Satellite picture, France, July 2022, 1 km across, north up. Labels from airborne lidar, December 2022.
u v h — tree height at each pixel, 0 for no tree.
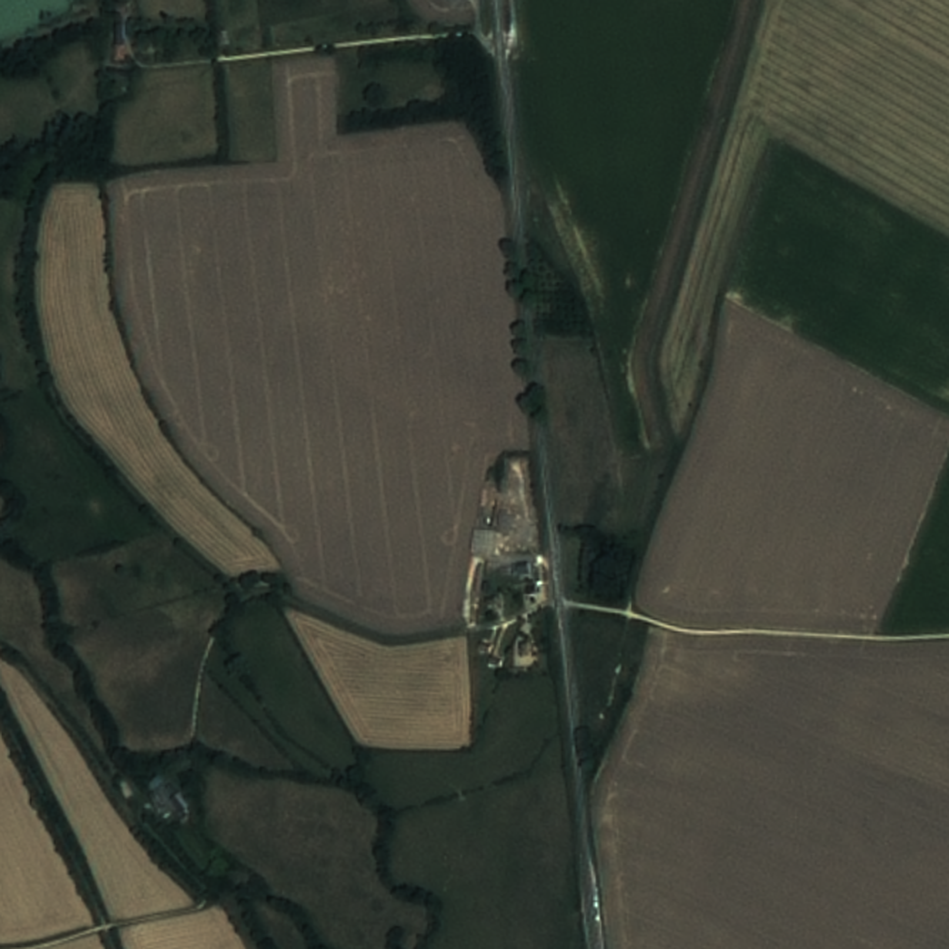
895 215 0
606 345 0
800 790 0
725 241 0
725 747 0
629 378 0
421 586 0
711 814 0
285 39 0
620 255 0
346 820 0
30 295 10
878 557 0
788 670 0
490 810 0
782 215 0
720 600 0
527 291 11
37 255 10
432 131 0
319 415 0
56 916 0
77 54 0
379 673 0
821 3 0
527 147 0
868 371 0
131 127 0
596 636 0
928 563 0
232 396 0
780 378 0
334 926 0
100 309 0
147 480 0
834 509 0
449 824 0
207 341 0
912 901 0
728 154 0
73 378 0
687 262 0
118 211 0
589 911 0
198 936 0
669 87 0
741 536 0
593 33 0
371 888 0
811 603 0
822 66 0
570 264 0
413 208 0
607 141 0
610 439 0
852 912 0
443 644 0
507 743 0
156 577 0
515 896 0
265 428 0
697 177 0
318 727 0
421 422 0
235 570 0
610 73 0
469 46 12
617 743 0
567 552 0
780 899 0
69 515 0
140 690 0
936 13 0
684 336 0
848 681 0
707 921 0
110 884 0
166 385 0
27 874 0
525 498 0
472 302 0
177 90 0
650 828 0
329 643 0
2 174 16
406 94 0
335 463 0
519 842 0
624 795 0
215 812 0
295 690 0
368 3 0
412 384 0
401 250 0
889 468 0
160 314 0
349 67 0
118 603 0
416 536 0
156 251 0
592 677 0
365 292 0
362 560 0
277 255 0
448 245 0
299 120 0
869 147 0
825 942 0
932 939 0
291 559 0
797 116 0
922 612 0
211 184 0
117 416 0
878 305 0
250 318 0
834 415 0
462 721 0
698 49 0
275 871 0
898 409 0
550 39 0
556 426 0
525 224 0
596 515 0
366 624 0
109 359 0
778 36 0
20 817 0
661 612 0
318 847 0
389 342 0
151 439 0
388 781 0
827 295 0
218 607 0
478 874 0
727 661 0
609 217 0
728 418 0
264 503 0
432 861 0
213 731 0
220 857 9
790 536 0
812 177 0
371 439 0
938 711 0
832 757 0
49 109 0
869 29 0
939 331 0
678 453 0
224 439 0
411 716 0
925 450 0
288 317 0
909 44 0
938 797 0
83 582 0
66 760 0
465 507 0
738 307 0
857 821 0
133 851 0
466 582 0
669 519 0
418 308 0
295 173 0
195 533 0
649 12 0
